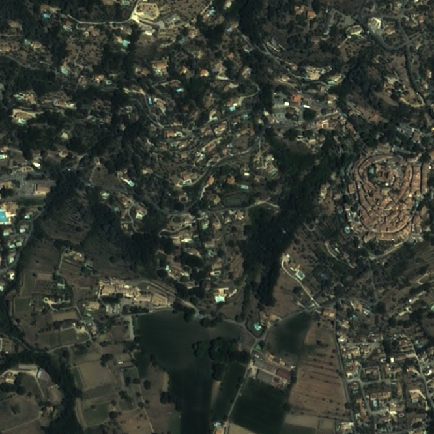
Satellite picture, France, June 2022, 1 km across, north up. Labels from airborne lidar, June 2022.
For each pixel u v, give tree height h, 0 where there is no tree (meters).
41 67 6
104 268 0
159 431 0
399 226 0
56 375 19
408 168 0
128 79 16
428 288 13
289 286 0
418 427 14
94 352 0
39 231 9
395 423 8
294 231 9
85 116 8
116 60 13
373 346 0
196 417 0
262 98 12
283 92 10
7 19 20
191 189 6
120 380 0
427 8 6
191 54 6
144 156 10
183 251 9
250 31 19
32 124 9
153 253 19
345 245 7
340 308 14
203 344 18
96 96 17
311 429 0
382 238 0
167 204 11
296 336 0
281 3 13
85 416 0
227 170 14
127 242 6
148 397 0
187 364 0
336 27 10
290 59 10
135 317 7
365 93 10
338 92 7
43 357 12
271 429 0
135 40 12
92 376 0
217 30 16
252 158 6
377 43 9
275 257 21
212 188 6
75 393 11
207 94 7
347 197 13
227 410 0
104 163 14
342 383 0
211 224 10
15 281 9
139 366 11
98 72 7
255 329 0
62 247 12
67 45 9
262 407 0
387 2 6
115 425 11
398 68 0
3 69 10
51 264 0
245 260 7
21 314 0
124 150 6
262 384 6
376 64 6
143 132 10
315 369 0
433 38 6
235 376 0
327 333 0
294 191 8
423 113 8
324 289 17
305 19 11
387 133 17
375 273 10
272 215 10
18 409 20
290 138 13
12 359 18
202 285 17
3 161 0
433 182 8
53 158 0
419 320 10
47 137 6
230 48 9
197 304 12
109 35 7
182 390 0
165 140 8
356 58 7
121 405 0
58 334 0
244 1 12
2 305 9
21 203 8
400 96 9
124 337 0
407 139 12
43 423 0
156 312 0
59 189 15
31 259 0
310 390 0
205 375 0
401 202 10
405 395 6
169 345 0
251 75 7
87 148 8
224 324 0
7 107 20
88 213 12
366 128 15
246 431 0
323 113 7
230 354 20
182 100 13
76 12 17
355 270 8
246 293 9
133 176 14
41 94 18
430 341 6
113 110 11
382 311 15
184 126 8
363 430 8
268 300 18
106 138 10
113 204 10
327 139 15
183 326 0
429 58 8
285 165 10
